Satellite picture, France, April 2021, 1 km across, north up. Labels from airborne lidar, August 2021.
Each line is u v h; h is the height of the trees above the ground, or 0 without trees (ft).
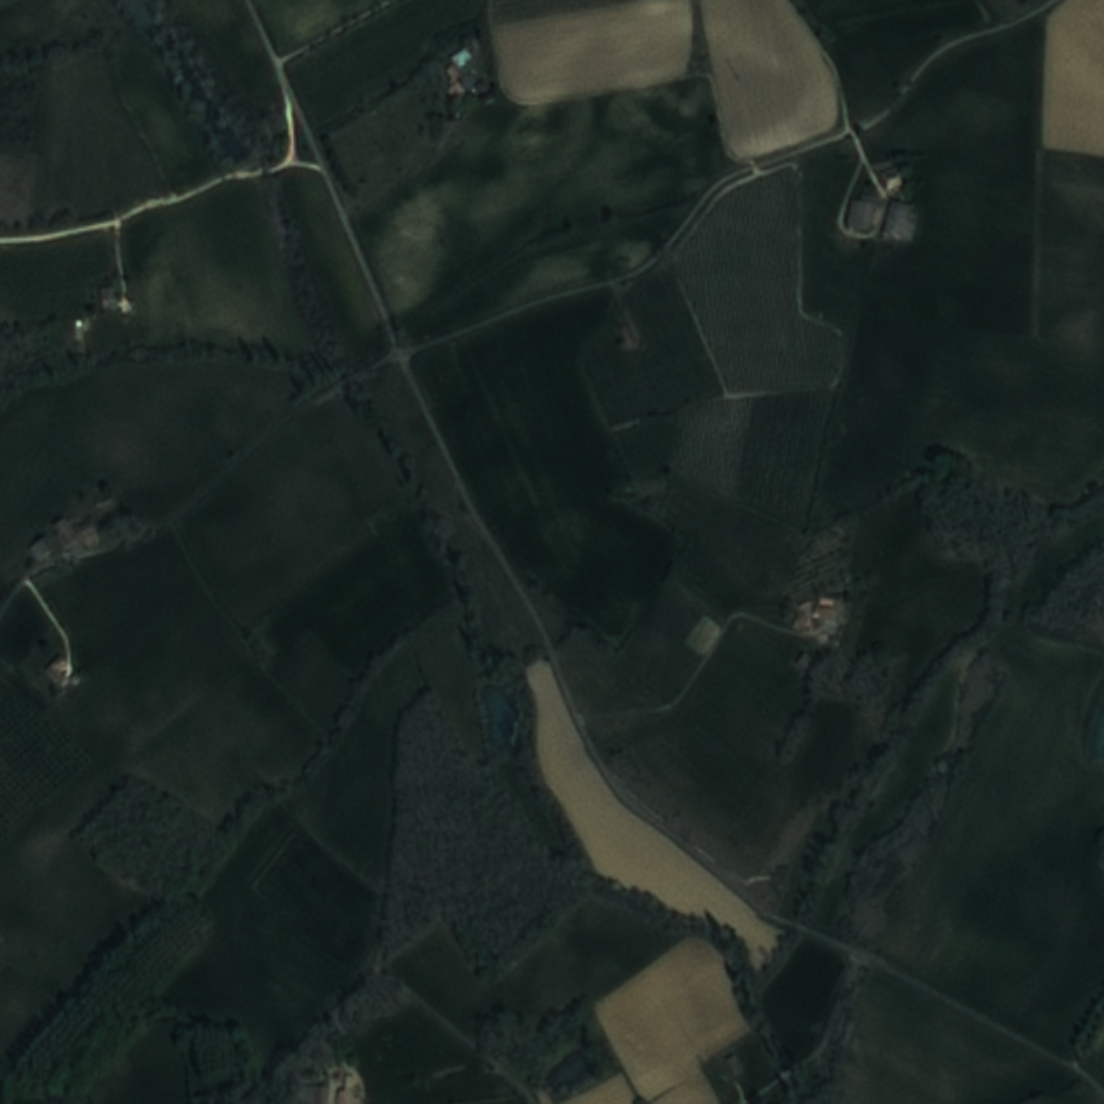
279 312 0
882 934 0
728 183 0
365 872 0
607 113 0
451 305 0
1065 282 0
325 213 0
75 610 0
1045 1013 0
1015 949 0
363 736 0
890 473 0
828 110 0
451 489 0
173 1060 0
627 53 0
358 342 0
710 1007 0
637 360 0
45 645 22
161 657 0
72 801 0
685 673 0
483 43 17
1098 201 0
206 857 56
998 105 0
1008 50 0
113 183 0
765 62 0
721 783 0
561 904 52
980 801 0
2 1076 48
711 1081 0
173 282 0
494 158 0
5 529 0
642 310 0
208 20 0
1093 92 0
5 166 0
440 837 60
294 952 0
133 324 0
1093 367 0
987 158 0
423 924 55
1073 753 0
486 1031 65
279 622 0
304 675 0
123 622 0
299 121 0
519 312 0
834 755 0
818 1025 0
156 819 61
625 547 0
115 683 0
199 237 0
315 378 53
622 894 38
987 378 0
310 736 0
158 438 0
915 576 0
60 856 0
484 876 42
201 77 54
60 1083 89
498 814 39
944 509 72
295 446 0
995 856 0
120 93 0
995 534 67
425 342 0
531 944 57
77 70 0
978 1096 0
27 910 0
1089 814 0
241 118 49
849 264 0
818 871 66
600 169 0
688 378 0
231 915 0
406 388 0
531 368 0
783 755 52
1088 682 0
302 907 0
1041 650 0
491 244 0
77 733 0
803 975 0
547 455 0
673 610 0
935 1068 0
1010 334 0
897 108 23
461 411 0
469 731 0
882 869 30
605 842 0
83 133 0
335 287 0
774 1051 48
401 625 0
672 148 0
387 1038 0
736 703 0
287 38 0
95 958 0
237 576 0
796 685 0
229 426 0
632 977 0
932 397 0
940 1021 0
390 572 0
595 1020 49
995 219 0
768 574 0
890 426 0
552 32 0
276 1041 0
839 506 0
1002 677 24
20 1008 0
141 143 0
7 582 0
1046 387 0
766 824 0
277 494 0
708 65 0
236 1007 0
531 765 70
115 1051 68
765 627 0
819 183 0
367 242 0
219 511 0
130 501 0
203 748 0
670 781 0
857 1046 0
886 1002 0
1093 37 0
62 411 0
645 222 0
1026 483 0
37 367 36
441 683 0
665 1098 0
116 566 0
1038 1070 0
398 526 0
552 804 44
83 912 0
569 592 0
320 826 0
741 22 0
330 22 0
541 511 0
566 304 0
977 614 0
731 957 90
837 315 0
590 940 0
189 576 0
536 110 0
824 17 0
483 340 0
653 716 0
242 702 0
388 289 0
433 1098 0
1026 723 0
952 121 0
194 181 0
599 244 0
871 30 0
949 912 0
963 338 0
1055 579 0
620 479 0
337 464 0
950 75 0
